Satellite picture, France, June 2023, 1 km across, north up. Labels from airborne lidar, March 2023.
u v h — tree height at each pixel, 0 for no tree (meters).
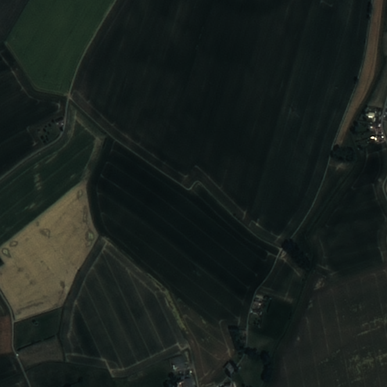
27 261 0
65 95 0
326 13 0
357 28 0
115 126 0
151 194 0
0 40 0
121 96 0
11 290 0
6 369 0
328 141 0
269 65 0
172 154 0
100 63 0
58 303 0
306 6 0
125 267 0
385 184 0
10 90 0
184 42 0
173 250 0
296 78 0
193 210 0
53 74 0
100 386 0
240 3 0
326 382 0
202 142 0
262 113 0
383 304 0
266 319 0
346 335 0
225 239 0
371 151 0
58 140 0
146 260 0
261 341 0
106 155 0
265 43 0
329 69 0
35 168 0
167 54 0
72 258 0
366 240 0
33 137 0
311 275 0
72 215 0
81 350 0
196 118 0
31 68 0
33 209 0
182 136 0
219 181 0
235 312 0
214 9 0
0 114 0
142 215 0
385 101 0
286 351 0
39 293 0
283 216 0
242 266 0
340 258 0
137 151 0
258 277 0
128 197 0
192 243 0
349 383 0
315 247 0
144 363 0
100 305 0
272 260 0
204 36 0
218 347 0
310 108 0
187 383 0
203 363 0
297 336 0
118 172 0
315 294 0
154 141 0
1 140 0
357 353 0
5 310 0
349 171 0
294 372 0
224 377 0
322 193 0
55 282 0
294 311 0
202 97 0
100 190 0
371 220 0
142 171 0
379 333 0
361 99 0
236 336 9
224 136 0
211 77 0
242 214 0
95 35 0
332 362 0
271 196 0
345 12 0
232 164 0
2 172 0
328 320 0
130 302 0
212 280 0
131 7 0
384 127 0
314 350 0
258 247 0
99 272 0
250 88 0
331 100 0
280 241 0
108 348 0
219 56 0
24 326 0
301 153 0
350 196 0
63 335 0
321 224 0
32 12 0
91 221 0
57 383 0
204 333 0
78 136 0
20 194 0
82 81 0
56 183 0
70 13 0
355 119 0
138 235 0
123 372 0
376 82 0
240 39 0
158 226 0
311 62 0
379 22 0
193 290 0
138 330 0
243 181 0
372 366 0
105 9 0
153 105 0
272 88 0
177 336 0
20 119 0
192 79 0
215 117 0
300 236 0
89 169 0
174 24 0
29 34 0
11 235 0
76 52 0
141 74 0
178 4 0
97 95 0
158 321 0
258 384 0
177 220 0
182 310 0
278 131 0
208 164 0
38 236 0
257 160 0
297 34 0
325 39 0
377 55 0
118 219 0
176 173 0
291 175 0
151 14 0
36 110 0
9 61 0
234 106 0
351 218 0
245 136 0
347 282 0
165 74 0
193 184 0
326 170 0
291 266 0
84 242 0
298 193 0
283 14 0
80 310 0
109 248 0
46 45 0
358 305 0
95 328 0
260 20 0
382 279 0
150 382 0
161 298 0
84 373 0
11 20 0
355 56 0
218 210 0
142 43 0
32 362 0
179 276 0
